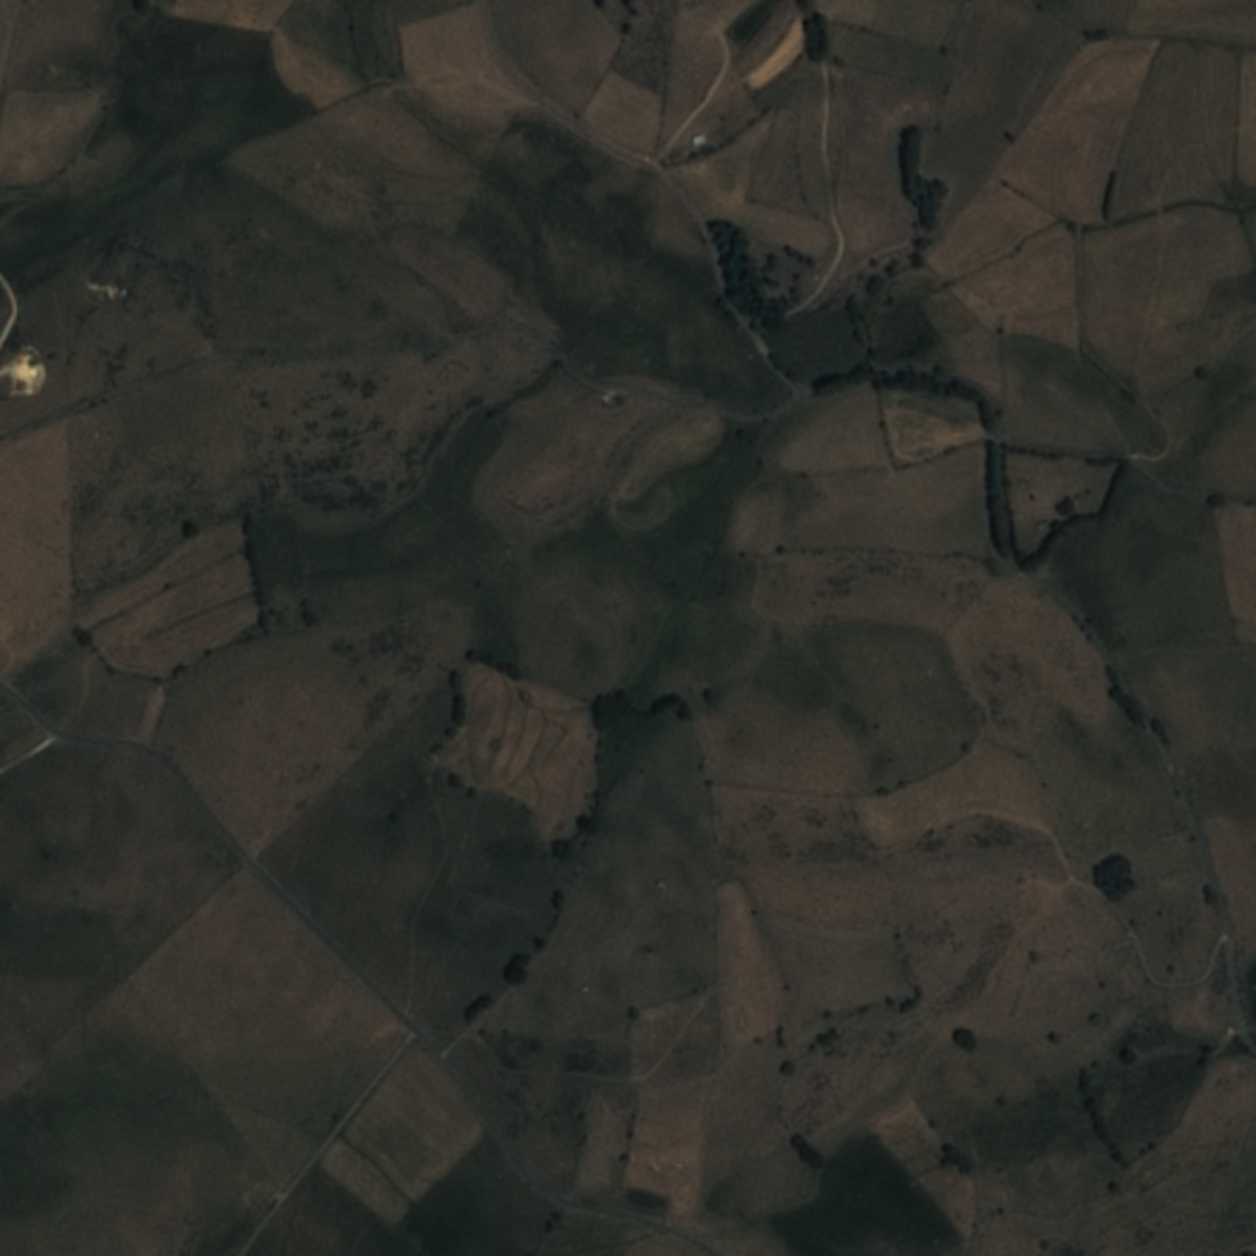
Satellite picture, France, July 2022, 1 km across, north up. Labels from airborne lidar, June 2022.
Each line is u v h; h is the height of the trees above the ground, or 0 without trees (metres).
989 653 0
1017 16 0
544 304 0
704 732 0
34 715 0
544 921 0
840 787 0
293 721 0
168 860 0
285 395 0
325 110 0
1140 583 0
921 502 0
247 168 0
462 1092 0
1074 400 0
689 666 0
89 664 0
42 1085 0
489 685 0
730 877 0
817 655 0
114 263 0
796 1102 0
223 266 0
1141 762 0
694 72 0
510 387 0
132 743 0
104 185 0
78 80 0
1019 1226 0
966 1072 0
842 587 0
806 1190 0
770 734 0
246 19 0
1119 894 11
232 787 0
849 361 0
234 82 0
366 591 0
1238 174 0
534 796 0
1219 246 0
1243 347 0
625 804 0
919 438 0
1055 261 0
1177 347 0
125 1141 0
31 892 0
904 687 0
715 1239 0
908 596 0
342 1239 0
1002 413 6
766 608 0
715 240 6
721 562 0
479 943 0
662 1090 0
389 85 0
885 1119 0
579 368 0
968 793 0
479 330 0
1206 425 0
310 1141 0
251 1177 0
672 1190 0
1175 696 0
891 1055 0
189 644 0
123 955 0
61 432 0
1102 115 0
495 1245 0
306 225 0
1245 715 0
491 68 0
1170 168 0
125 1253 0
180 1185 0
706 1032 0
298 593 0
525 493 0
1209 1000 0
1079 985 0
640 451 0
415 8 0
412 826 0
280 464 0
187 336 0
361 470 0
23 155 0
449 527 0
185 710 0
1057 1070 0
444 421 0
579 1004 0
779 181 0
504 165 0
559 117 0
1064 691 0
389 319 0
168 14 0
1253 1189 0
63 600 0
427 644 0
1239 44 0
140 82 0
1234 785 0
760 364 0
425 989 0
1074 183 0
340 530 0
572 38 0
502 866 0
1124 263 0
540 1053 0
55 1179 0
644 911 0
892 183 0
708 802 0
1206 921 0
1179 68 0
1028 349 0
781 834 0
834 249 0
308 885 0
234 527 0
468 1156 0
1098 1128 9
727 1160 0
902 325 0
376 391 0
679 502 0
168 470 0
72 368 0
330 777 0
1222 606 0
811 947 0
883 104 0
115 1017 0
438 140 0
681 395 0
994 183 0
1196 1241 0
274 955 0
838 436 0
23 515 0
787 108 0
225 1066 0
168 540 0
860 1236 0
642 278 0
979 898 0
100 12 0
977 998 0
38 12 0
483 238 0
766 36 0
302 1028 0
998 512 16
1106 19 0
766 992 0
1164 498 0
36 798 0
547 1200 0
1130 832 0
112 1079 0
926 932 0
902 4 0
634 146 0
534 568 0
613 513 0
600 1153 0
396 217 0
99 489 0
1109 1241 0
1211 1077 0
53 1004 0
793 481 0
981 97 0
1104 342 0
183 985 0
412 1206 0
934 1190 0
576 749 0
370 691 0
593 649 0
